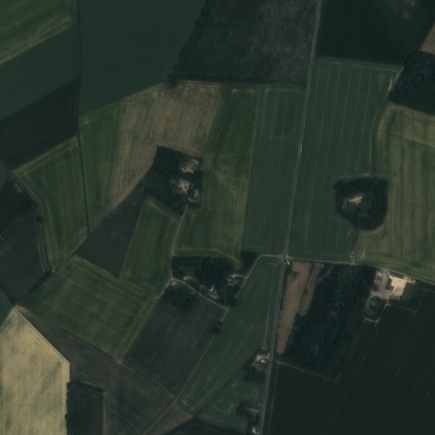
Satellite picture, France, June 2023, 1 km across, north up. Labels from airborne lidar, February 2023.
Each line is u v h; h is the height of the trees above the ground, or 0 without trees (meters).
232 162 0
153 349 0
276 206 0
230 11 0
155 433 0
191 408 0
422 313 0
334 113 0
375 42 0
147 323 0
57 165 0
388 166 0
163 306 0
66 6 0
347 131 0
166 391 0
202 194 0
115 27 0
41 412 0
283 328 0
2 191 0
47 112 0
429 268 0
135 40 0
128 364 0
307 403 0
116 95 0
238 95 0
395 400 0
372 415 0
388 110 0
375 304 0
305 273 0
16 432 0
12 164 0
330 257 0
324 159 0
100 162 0
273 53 0
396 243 0
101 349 0
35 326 0
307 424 0
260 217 0
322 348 20
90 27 0
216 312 0
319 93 0
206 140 0
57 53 0
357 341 0
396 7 0
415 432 0
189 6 0
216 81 11
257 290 0
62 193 0
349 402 0
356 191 17
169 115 0
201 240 0
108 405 0
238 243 0
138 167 0
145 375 0
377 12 0
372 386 0
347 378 0
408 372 0
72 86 0
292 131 0
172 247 0
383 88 0
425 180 0
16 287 0
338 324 24
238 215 0
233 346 0
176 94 0
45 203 0
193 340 0
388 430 0
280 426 0
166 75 0
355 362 0
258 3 0
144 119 0
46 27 0
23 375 0
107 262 0
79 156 0
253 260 0
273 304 0
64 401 0
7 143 0
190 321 0
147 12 0
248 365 0
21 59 0
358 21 0
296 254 0
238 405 0
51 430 0
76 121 0
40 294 0
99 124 0
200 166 0
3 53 0
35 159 0
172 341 0
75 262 0
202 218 0
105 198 0
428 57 17
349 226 0
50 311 0
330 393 0
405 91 21
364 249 0
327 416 0
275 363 0
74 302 0
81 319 0
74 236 0
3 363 0
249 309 0
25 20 0
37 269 0
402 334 0
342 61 0
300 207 0
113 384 0
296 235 0
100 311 0
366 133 0
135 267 0
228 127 0
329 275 11
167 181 0
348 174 0
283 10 0
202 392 0
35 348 0
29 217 0
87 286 0
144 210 0
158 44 0
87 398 0
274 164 0
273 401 0
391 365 0
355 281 21
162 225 0
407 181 0
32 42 0
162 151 16
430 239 0
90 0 0
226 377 0
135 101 0
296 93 0
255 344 0
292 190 0
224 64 0
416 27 0
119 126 0
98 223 0
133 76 0
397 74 0
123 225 0
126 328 0
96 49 0
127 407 0
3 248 0
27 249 0
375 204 10
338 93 0
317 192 0
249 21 0
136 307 0
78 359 0
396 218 0
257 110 0
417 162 0
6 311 0
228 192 0
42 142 0
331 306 26
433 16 0
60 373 0
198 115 0
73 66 0
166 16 0
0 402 0
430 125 0
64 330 0
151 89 0
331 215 0
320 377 0
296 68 0
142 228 0
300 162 0
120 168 0
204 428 0
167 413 0
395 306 0
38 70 0
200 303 0
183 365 0
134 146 0
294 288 0
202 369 0
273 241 0
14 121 0
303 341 18
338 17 0
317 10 0
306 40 0
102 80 0
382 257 0
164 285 0
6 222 0
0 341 0
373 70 0
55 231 0
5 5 0
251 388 0
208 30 0
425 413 0
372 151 0
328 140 0
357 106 0
